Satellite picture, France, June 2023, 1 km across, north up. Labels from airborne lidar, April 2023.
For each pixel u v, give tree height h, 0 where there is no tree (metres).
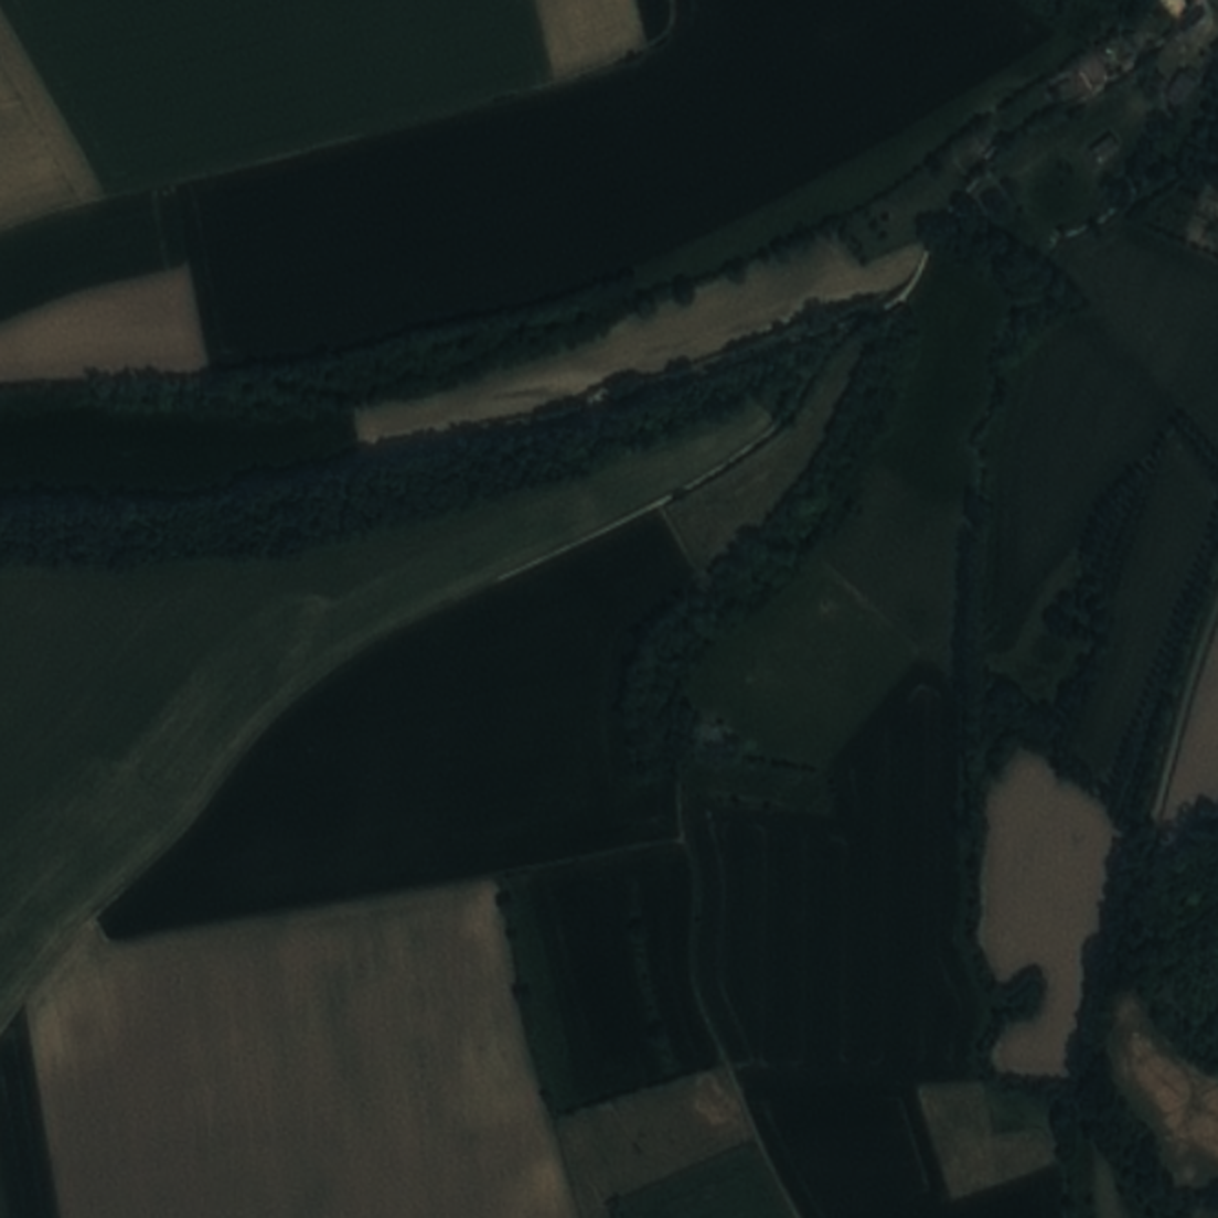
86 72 0
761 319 0
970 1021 0
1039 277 22
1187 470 0
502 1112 0
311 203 0
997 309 0
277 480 21
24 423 0
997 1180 0
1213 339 0
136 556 13
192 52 0
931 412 0
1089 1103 26
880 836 0
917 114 0
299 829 0
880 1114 0
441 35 0
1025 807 0
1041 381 0
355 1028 0
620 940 0
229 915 0
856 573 0
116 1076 0
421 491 24
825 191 0
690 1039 0
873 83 0
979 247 28
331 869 0
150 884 0
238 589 0
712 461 0
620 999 0
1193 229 0
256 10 0
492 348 12
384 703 0
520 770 0
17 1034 0
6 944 0
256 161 0
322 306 0
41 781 0
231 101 0
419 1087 0
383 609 0
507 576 0
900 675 0
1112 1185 0
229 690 0
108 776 0
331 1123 0
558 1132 0
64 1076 0
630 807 0
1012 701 25
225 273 0
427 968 0
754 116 0
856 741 0
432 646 0
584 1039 0
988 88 0
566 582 0
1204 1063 17
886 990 0
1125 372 0
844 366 0
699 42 0
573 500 0
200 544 12
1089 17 6
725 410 17
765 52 0
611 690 0
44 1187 0
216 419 0
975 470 0
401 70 0
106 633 0
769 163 0
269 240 0
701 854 0
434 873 0
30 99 0
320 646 0
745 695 0
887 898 0
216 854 0
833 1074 0
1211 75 9
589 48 0
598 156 0
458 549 0
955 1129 0
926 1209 0
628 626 0
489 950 0
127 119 0
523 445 23
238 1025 0
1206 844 22
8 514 26
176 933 0
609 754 0
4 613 0
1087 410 0
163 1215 0
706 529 0
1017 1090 7
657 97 0
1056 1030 0
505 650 0
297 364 9
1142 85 11
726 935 0
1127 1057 0
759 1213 0
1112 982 22
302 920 0
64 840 0
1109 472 0
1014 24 0
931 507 0
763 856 0
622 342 0
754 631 0
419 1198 0
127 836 0
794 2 0
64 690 0
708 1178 0
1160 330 0
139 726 0
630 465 0
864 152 0
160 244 0
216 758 0
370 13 0
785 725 0
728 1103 0
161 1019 0
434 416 0
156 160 0
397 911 0
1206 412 0
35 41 0
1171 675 15
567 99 0
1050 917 0
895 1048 0
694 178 0
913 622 0
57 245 0
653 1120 0
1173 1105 0
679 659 25
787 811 0
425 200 0
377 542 0
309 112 0
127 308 0
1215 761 0
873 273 0
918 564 0
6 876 0
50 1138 0
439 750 0
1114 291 0
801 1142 0
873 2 0
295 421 0
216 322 0
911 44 0
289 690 0
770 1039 0
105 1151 0
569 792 0
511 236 0
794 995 0
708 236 0
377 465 27
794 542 13
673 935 0
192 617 0
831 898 0
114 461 0
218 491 12
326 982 0
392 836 0
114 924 0
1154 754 15
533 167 0
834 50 0
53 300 0
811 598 0
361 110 0
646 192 0
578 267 0
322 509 24
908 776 0
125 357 0
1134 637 0
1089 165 0
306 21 0
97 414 0
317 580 0
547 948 0
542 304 10
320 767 0
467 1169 0
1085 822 0
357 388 9
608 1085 0
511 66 0
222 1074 0
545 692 0
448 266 0
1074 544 0
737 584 18
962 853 0
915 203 0
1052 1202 0
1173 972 15
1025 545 0
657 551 0
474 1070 0
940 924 0
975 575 31
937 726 0
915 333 15
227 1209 0
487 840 0
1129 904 23
